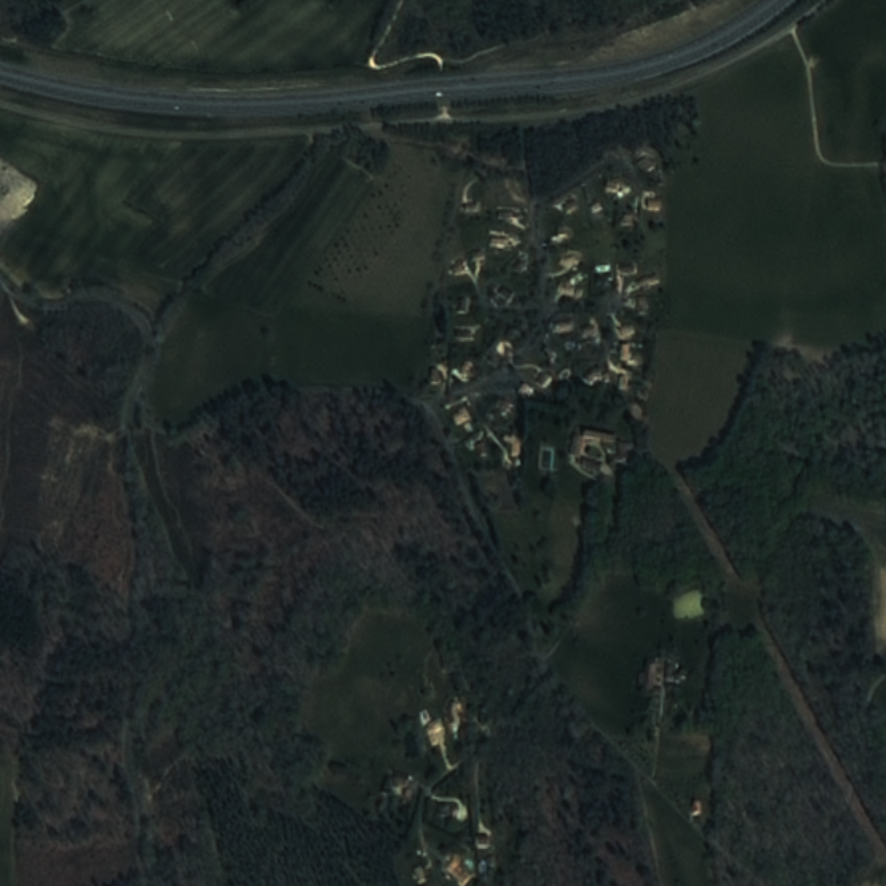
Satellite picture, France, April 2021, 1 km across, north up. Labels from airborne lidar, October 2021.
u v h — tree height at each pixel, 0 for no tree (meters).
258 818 22
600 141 15
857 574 24
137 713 24
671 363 0
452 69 7
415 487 24
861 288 0
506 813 10
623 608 0
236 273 0
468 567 16
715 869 17
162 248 0
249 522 18
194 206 0
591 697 0
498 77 0
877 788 23
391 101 0
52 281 0
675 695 13
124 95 0
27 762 12
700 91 0
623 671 0
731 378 0
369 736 0
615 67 0
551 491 13
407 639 0
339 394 13
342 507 25
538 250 7
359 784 10
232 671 20
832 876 17
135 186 0
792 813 20
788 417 13
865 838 17
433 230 0
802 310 0
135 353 10
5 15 13
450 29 20
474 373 13
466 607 9
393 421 6
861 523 0
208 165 0
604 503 16
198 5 0
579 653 0
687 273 0
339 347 0
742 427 15
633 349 0
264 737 23
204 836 26
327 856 13
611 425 17
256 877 14
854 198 0
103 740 17
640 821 17
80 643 14
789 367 19
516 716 15
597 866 10
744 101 0
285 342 0
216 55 0
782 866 23
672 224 0
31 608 18
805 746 23
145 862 23
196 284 7
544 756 11
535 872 11
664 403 0
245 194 0
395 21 15
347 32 0
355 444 24
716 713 18
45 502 0
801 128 0
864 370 23
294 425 9
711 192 0
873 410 14
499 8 21
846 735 21
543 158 17
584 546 16
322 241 0
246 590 15
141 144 0
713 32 0
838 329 0
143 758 6
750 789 23
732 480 20
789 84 0
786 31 0
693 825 0
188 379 0
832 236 0
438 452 25
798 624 17
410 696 0
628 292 0
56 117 0
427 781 9
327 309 0
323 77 0
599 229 0
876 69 0
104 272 0
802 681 24
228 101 0
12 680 8
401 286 0
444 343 8
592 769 13
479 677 16
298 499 25
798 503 20
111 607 17
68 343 10
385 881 17
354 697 0
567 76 0
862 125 0
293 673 24
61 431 0
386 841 12
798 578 15
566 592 0
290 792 26
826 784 17
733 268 0
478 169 17
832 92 0
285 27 0
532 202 7
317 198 0
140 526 24
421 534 13
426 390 12
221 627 15
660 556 25
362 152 16
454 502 27
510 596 26
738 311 0
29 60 0
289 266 0
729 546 23
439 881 0
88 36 0
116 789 20
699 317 0
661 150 17
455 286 0
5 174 0
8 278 0
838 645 11
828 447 21
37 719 10
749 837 21
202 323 0
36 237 0
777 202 0
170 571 21
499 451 13
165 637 32
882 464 20
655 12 6
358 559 17
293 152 0
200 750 21
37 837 7
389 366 0
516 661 13
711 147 0
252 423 22
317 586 17
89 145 0
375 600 19
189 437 14
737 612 0
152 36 0
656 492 19
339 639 24
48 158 0
